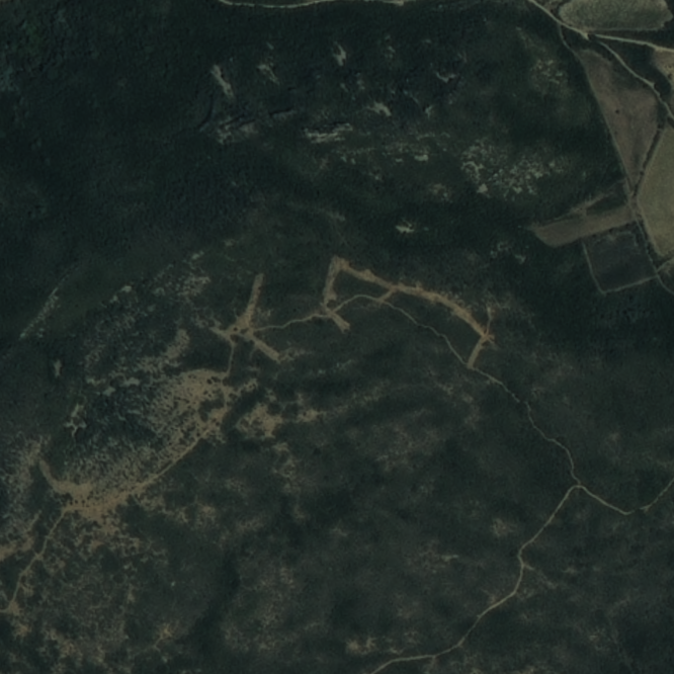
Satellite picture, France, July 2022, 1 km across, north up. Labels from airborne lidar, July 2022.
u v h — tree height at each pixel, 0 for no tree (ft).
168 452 0
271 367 0
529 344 24
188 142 24
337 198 24
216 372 0
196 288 0
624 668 25
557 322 21
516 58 17
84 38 22
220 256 0
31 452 0
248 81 28
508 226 21
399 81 26
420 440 0
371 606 0
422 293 0
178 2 24
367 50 20
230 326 0
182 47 20
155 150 23
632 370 0
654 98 0
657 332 23
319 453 23
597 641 0
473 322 0
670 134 0
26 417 0
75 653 0
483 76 18
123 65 22
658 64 0
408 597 0
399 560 0
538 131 19
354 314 0
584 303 25
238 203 18
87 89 22
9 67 50
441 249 20
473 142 0
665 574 0
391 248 28
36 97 27
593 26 0
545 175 21
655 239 0
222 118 21
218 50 25
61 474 0
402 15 19
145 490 0
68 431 23
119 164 21
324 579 0
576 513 0
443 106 18
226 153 18
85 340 0
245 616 0
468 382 0
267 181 19
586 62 0
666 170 0
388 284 0
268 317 0
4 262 19
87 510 0
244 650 0
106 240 18
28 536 0
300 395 0
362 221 31
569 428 0
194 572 0
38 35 40
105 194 20
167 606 0
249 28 31
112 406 21
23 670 0
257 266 0
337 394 19
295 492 0
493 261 40
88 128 26
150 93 22
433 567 0
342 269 0
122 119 28
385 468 0
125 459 0
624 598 0
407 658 0
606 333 18
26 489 0
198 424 0
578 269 20
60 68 28
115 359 22
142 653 0
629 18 0
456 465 20
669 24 32
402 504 0
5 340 19
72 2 51
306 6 31
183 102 23
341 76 24
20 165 34
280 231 19
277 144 18
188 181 35
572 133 24
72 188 20
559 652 0
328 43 18
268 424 0
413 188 20
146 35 25
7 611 0
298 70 20
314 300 0
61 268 20
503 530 0
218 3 22
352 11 23
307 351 0
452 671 0
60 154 18
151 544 0
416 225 20
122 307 19
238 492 0
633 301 37
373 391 0
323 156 19
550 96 28
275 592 0
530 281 18
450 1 23
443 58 21
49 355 21
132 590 0
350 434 0
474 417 0
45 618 0
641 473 19
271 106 25
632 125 0
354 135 0
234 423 0
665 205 0
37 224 21
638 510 17
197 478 0
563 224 0
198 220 18
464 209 27
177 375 0
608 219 0
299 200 20
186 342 0
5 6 27
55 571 0
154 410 0
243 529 0
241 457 0
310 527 18
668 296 22
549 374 0
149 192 20
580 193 18
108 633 0
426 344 0
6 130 32
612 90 0
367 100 19
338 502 18
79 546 0
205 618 18
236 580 19
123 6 23
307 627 0
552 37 27
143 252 0
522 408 21
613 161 18
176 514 0
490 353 0
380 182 19
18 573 0
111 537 0
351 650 0
